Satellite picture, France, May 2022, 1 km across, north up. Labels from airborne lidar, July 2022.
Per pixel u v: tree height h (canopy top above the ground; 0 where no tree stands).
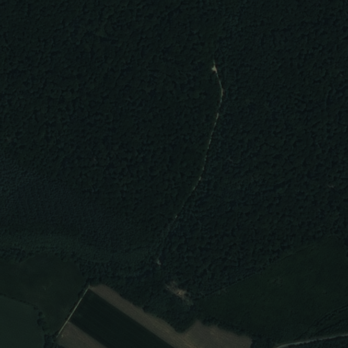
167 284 29
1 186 25
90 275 17
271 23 32
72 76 33
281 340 14
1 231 21
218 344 0
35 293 0
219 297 7
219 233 24
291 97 32
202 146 28
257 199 26
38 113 28
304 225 29
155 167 31
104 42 33
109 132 30
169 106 24
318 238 26
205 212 18
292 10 26
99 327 0
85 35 25
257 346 21
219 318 6
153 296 21
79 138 30
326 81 27
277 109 22
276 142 31
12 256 15
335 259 6
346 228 26
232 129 33
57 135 29
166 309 21
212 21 32
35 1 30
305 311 7
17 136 26
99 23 28
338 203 26
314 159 27
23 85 29
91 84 32
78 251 27
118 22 29
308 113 31
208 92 28
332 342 14
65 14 32
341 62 30
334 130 29
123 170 32
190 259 31
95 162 30
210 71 24
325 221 29
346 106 32
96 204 24
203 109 28
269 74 24
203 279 26
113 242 19
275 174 26
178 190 24
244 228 29
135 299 27
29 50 31
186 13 24
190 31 20
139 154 31
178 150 31
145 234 18
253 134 30
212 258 25
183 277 31
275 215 28
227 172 11
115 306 0
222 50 24
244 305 7
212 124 26
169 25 26
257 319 6
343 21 30
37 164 22
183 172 33
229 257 24
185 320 24
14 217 18
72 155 28
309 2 28
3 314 0
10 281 0
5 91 29
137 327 0
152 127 30
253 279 5
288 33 29
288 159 27
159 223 29
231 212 21
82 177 32
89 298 0
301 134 28
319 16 25
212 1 24
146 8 28
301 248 5
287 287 5
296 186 30
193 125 28
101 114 28
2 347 0
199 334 0
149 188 31
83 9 26
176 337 0
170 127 32
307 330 10
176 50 27
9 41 31
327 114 24
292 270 5
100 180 23
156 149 30
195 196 21
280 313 9
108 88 28
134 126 30
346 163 21
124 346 0
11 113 26
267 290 6
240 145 15
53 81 31
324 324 10
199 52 29
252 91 27
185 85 30
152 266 13
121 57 28
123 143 25
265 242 24
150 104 26
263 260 30
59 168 20
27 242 26
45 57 25
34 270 0
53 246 20
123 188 30
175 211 23
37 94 22
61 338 0
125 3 29
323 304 7
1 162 20
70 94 30
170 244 20
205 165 10
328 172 32
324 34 33
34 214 22
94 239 15
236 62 25
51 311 0
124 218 16
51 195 22
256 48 26
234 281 13
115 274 18
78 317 0
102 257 25
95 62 28
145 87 23
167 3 28
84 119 31
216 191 27
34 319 0
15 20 31
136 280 32
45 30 33
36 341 0
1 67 29
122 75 27
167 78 30
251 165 30
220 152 27
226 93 9
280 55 30
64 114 26
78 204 22
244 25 24
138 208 29
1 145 25
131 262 27
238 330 19
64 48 29
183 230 30
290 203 27
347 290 6
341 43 33
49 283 0
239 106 23
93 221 23
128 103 27
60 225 20
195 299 16
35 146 33
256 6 29
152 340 0
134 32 30
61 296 0
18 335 0
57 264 0
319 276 5
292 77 29
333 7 29
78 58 30
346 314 6
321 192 28
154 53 29
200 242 20
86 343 0
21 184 22
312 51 30
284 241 28
